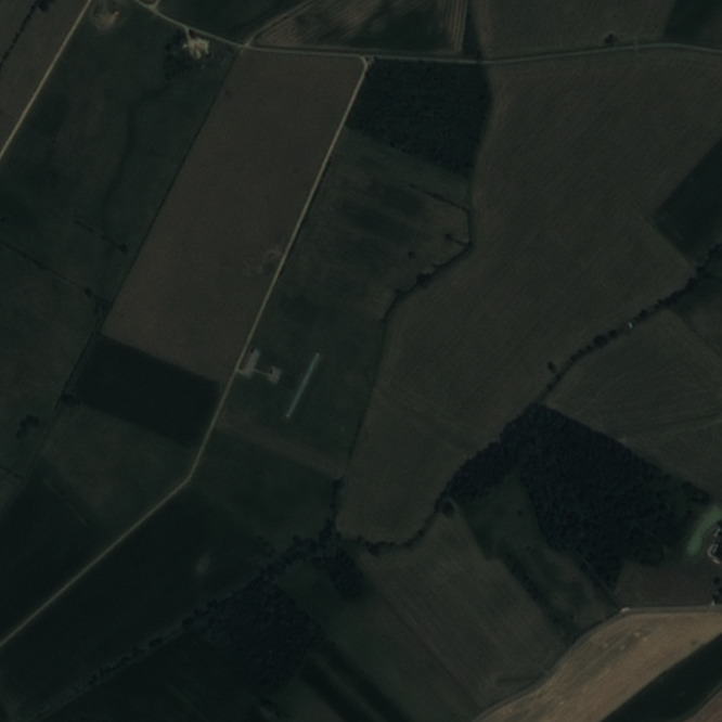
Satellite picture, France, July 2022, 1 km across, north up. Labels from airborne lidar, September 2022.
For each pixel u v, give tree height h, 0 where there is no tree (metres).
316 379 0
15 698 0
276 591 15
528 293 0
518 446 28
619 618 0
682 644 0
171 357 0
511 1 0
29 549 0
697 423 0
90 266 0
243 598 10
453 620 0
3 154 0
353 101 0
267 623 16
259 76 0
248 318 0
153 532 0
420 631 0
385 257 0
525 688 0
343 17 0
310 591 0
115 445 0
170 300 0
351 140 0
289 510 0
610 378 0
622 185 0
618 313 0
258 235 0
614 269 0
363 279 0
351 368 0
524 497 0
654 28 0
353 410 0
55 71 0
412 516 0
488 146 0
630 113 0
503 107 0
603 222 0
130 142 0
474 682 0
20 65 0
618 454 21
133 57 0
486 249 0
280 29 0
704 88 0
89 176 0
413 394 0
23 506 0
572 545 19
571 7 0
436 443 0
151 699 0
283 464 0
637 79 0
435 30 0
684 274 0
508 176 0
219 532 0
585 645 0
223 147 0
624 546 15
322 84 0
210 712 0
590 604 0
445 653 0
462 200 0
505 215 0
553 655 0
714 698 0
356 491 0
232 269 0
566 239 0
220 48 0
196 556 0
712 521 0
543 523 14
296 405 0
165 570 0
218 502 0
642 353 0
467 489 20
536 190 0
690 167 0
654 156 0
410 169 0
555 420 22
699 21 0
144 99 0
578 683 0
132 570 0
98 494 0
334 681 0
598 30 0
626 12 0
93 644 0
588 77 0
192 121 0
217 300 0
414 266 0
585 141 0
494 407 0
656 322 0
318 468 0
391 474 0
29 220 0
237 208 0
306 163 0
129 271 0
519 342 0
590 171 0
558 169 0
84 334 0
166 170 0
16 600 0
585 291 0
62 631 0
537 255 0
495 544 0
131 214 0
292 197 0
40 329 0
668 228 0
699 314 0
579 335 0
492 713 0
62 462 0
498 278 0
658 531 9
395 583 0
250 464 0
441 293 0
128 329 0
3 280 0
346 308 0
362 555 0
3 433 0
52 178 0
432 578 0
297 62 0
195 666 0
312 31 0
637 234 0
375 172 0
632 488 9
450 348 0
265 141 0
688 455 0
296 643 16
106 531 0
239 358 0
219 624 20
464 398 0
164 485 0
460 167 11
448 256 0
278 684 17
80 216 0
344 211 0
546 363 0
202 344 0
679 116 0
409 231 0
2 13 0
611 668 0
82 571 0
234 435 0
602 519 10
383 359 0
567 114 0
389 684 0
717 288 0
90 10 0
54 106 0
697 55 0
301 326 0
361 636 0
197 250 0
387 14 0
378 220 0
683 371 0
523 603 0
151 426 0
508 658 0
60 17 0
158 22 0
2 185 0
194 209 0
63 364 0
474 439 0
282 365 0
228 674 0
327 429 0
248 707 0
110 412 0
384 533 0
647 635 0
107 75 0
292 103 0
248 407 0
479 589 0
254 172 0
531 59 0
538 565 0
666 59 0
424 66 14
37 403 0
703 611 0
